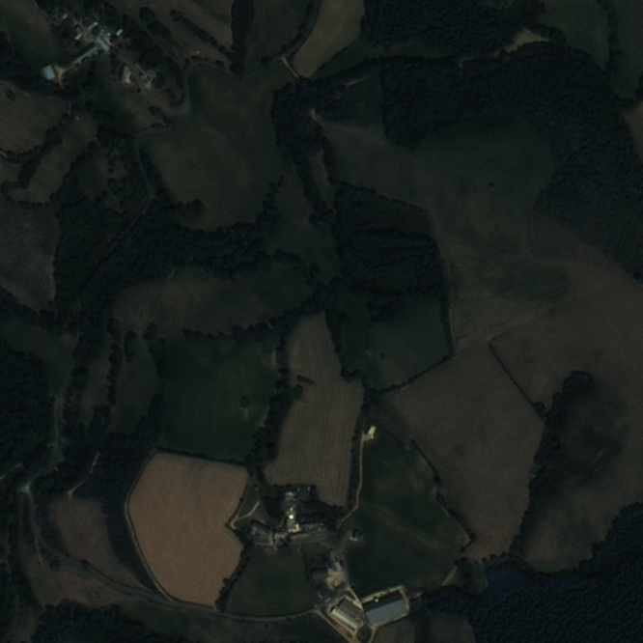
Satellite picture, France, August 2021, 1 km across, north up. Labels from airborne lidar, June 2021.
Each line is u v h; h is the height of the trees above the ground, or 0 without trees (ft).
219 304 0
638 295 0
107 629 32
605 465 0
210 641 0
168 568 0
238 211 0
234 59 51
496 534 0
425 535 0
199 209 64
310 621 0
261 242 45
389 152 0
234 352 0
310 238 0
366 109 0
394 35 97
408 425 0
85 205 37
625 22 0
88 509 0
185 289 0
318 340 0
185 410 0
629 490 0
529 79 73
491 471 0
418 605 35
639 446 0
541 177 0
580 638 96
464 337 0
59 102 0
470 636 0
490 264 0
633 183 30
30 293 0
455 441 0
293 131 57
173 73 22
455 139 0
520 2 27
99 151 53
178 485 0
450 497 0
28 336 0
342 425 0
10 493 47
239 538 33
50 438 31
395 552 0
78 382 75
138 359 0
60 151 0
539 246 0
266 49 0
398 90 54
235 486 0
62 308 46
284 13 0
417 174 0
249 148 0
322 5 0
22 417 94
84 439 59
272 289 0
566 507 0
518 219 0
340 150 0
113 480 18
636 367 0
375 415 0
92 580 0
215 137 0
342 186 40
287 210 0
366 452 0
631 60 0
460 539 0
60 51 0
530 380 0
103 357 0
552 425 40
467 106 66
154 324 0
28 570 0
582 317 0
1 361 45
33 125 0
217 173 0
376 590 0
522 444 0
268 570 0
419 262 60
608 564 83
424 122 42
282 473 0
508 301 0
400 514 0
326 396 0
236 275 60
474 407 0
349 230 61
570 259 0
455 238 0
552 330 0
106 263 73
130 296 0
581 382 54
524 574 24
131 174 40
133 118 0
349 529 0
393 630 0
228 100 0
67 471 75
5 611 35
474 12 104
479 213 0
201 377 0
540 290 0
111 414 63
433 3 95
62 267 56
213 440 0
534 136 0
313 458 0
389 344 0
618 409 0
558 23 0
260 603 0
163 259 55
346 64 0
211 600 0
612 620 109
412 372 0
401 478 0
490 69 70
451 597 73
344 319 48
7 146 0
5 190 30
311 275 50
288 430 0
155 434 54
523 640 89
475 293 0
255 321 0
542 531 0
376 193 33
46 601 0
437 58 0
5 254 0
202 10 0
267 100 0
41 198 0
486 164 0
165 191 29
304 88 70
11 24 0
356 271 56
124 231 29
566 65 49
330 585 0
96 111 42
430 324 0
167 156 0
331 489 0
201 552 0
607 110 57
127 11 0
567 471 0
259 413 0
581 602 96
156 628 0
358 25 0
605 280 0
